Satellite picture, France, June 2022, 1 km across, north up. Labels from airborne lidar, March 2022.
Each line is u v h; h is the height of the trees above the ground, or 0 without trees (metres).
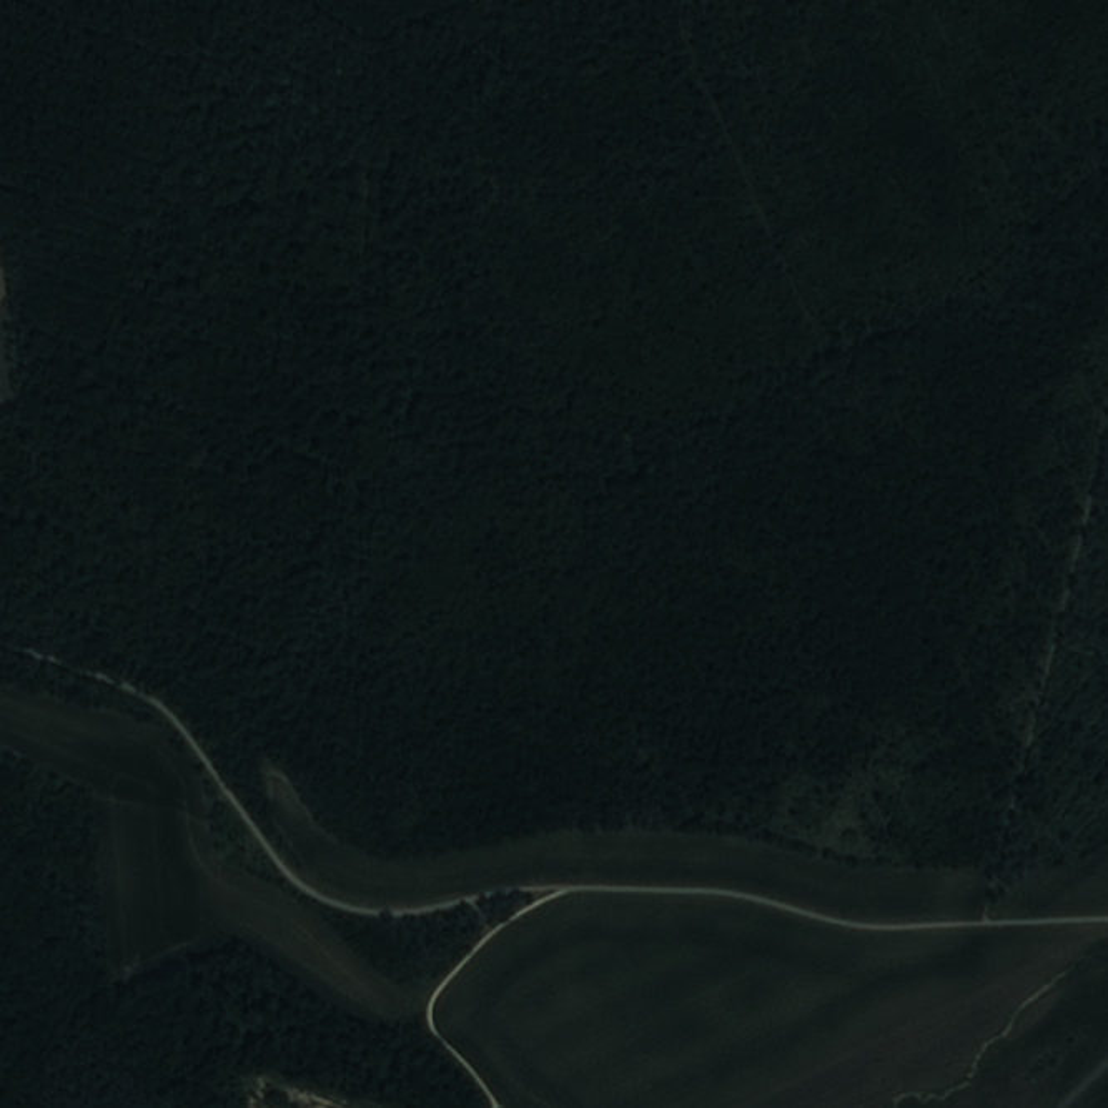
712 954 0
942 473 12
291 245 16
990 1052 0
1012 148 11
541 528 12
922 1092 0
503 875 0
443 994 0
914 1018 0
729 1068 0
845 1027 0
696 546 17
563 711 12
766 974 0
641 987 0
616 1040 0
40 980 25
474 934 17
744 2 7
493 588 12
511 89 16
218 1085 8
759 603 6
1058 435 0
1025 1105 0
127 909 0
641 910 0
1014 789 10
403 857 10
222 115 18
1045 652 0
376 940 7
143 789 0
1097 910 0
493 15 18
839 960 0
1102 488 14
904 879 0
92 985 18
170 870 0
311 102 16
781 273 8
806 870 0
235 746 16
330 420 19
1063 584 0
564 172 8
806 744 11
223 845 0
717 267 6
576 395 15
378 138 16
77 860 16
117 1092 17
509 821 14
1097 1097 0
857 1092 0
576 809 16
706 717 8
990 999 0
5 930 19
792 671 6
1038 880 0
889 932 0
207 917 0
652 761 9
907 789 0
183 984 23
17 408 18
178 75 15
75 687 17
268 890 0
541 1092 0
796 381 17
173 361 15
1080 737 6
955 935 0
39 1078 17
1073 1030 0
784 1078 0
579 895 0
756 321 8
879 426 6
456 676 7
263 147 20
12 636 16
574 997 0
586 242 6
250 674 17
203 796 0
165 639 14
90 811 6
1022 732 0
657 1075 0
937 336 14
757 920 0
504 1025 0
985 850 10
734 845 0
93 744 0
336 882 0
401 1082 21
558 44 18
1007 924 0
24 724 0
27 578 13
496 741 18
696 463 18
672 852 0
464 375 14
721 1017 0
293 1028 21
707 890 0
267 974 24
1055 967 0
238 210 16
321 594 13
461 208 15
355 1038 23
